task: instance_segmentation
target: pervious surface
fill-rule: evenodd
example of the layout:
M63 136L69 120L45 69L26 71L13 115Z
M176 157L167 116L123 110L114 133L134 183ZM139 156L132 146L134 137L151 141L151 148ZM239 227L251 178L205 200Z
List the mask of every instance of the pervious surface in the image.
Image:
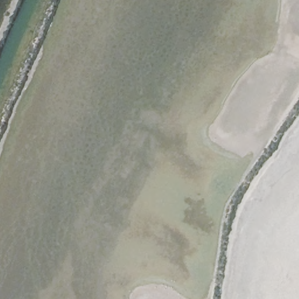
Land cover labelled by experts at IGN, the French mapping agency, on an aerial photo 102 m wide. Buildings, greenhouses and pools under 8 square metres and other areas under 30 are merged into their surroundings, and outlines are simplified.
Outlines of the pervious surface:
M0 141L0 155L11 131L22 95L32 82L41 60L41 49L30 69L18 102L14 105L4 137Z
M221 299L299 299L299 116L284 133L277 151L260 168L248 192L239 203L229 235Z
M135 287L130 299L186 299L171 287L151 284Z
M278 0L277 41L272 53L253 61L242 76L234 79L231 91L222 100L221 112L209 128L209 137L216 144L236 152L241 157L249 153L253 153L253 157L223 208L213 277L206 299L214 299L223 227L231 213L231 201L238 188L245 182L246 176L264 154L264 149L269 148L299 99L299 0Z

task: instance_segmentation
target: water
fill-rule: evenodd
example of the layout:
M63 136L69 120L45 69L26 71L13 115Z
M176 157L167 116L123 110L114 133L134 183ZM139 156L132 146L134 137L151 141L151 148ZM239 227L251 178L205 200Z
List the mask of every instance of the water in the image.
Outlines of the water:
M130 299L135 287L151 284L171 287L186 299L206 299L213 277L223 208L253 157L253 153L249 153L241 157L236 152L216 144L209 137L209 128L221 112L222 100L231 91L234 79L242 76L253 61L272 53L277 41L278 0L61 0L41 49L41 60L32 82L22 95L11 131L0 155L0 299Z
M43 2L46 0L0 0L0 111L13 76L16 70L19 70L23 50L30 42L37 16L40 15Z

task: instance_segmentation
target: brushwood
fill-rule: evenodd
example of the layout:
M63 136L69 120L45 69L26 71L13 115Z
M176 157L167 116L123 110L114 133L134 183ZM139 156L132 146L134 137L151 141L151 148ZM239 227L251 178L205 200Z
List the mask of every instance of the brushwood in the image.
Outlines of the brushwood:
M30 69L41 49L61 0L46 0L43 2L40 15L37 16L30 42L23 50L19 70L16 70L13 76L0 111L0 141L4 137L14 105L18 102Z
M299 99L269 148L264 149L264 154L246 176L245 182L238 188L231 201L231 213L223 227L214 299L221 299L229 235L239 203L248 192L260 168L277 151L284 133L299 116Z

